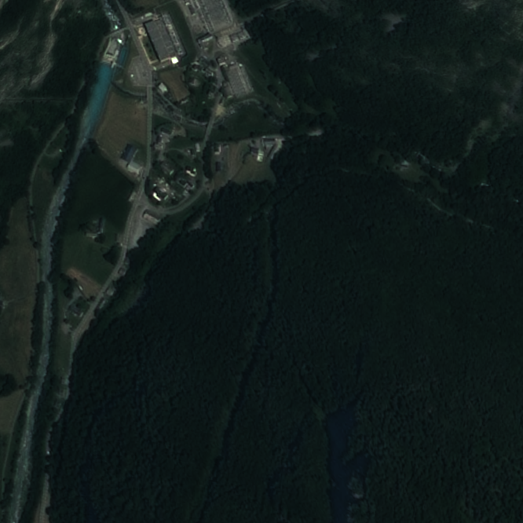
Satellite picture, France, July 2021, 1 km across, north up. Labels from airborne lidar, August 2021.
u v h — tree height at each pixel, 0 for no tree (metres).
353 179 13
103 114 0
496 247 11
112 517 13
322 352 27
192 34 0
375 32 8
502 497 12
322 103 14
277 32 19
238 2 22
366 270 20
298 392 22
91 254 0
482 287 24
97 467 20
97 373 24
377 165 8
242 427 22
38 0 10
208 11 0
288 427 16
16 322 0
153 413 8
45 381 9
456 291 26
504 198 21
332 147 19
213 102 0
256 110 0
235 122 0
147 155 0
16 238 0
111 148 0
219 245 28
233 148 0
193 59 0
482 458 17
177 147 0
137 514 20
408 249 24
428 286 22
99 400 18
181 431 26
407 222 24
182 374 8
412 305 19
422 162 17
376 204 29
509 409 13
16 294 0
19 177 10
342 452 14
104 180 0
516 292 25
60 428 21
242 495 22
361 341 11
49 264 0
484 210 19
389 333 18
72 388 24
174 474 23
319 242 28
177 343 24
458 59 7
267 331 26
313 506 22
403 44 10
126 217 0
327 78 19
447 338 15
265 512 19
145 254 11
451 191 14
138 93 0
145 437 34
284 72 22
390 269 18
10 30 8
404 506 22
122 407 19
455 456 19
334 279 21
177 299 24
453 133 21
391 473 20
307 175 20
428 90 14
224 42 0
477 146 15
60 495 17
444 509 12
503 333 27
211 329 26
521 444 21
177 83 0
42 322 15
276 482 8
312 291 23
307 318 26
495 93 12
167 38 0
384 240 26
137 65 0
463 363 19
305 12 12
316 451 17
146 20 0
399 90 11
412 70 7
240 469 25
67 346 0
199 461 27
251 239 15
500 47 8
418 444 21
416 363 21
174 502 30
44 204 0
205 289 22
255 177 0
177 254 21
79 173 18
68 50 16
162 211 0
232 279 23
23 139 12
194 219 15
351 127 29
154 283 18
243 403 25
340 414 17
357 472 7
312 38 10
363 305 25
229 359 23
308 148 12
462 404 14
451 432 10
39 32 6
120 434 14
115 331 19
